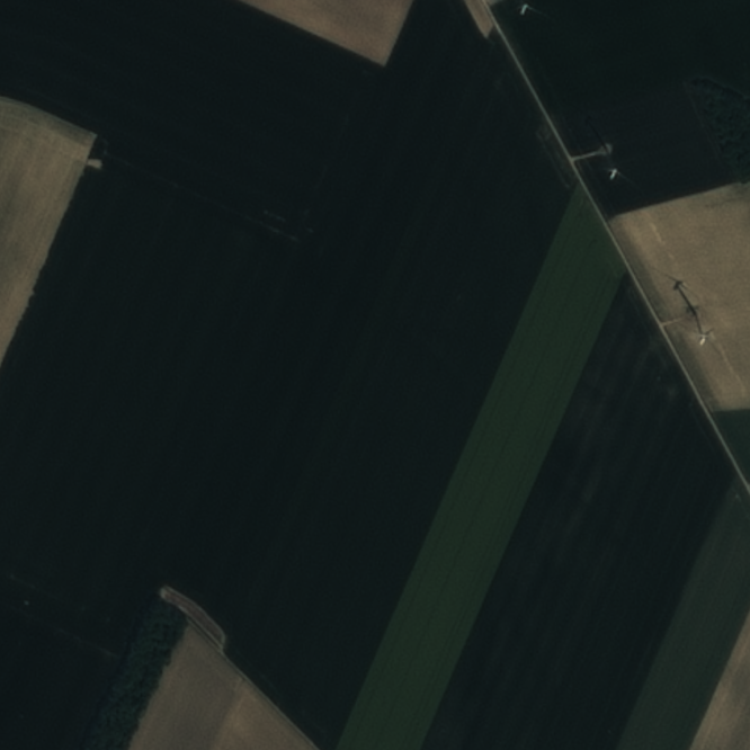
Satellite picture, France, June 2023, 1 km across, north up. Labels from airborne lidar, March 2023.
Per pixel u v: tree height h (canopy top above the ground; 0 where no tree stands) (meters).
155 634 18
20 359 0
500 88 0
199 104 0
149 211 0
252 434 0
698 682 0
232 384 0
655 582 0
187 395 0
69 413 0
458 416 0
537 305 0
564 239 0
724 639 0
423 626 0
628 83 0
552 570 0
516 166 0
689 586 0
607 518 0
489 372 0
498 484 0
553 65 0
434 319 0
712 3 0
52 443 0
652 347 0
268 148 0
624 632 0
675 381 0
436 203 0
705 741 0
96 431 0
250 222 0
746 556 0
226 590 0
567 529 0
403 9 0
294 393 0
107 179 0
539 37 0
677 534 0
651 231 0
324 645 0
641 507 0
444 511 0
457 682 0
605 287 0
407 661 0
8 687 0
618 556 0
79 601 0
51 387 0
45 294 0
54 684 0
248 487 0
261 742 0
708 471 0
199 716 0
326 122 0
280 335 0
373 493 0
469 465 0
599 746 0
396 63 0
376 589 0
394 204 0
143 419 0
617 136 0
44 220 0
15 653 0
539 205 0
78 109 0
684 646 0
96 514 0
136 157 0
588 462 0
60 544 0
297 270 0
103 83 0
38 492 0
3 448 0
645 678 0
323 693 0
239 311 0
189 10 0
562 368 0
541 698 0
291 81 0
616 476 0
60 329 0
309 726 0
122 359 0
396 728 0
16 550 0
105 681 0
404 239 0
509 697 0
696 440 0
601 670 0
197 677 0
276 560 0
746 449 0
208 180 0
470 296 0
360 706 0
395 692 0
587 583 0
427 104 0
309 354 0
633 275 0
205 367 0
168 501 0
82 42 0
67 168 0
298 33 0
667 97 0
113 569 0
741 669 0
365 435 0
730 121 17
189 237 0
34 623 0
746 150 19
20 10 0
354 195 0
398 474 0
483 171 0
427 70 0
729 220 0
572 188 0
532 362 0
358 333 0
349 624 0
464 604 0
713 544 0
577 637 0
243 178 0
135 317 0
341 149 0
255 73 0
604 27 0
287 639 0
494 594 0
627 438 0
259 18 0
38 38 0
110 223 0
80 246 0
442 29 0
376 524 0
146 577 0
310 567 0
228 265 0
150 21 0
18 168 0
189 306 0
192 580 0
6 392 0
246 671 0
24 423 0
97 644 0
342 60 0
